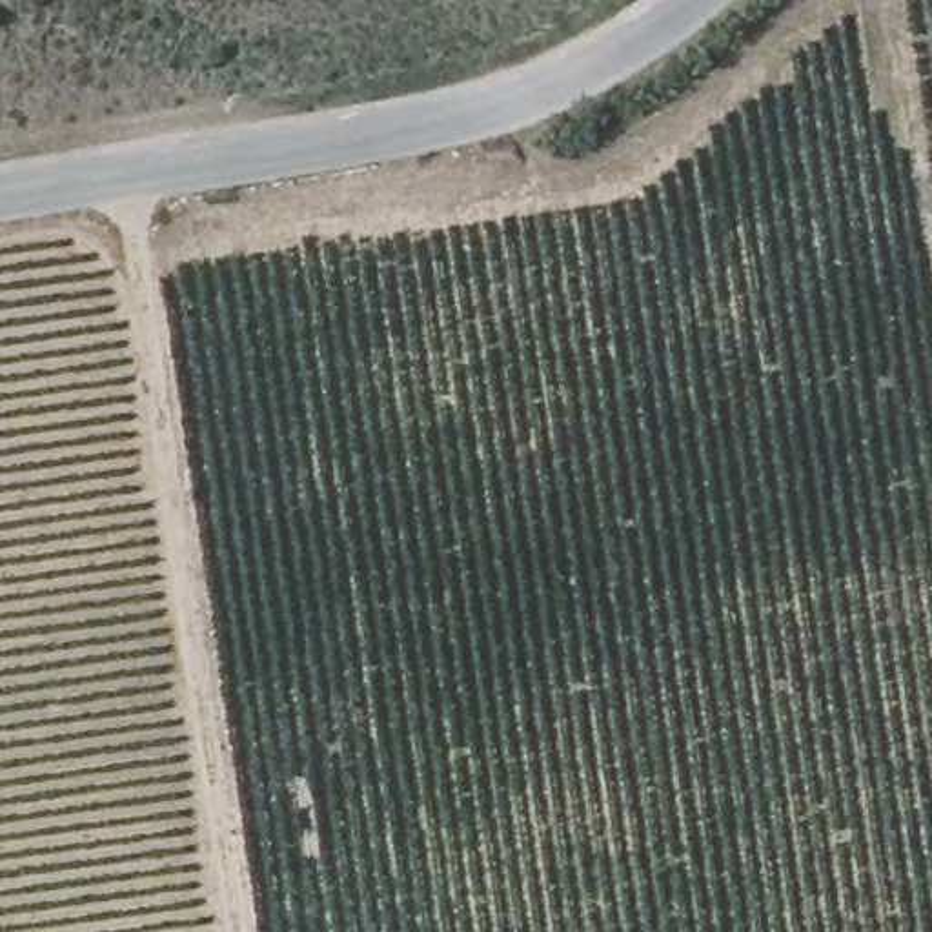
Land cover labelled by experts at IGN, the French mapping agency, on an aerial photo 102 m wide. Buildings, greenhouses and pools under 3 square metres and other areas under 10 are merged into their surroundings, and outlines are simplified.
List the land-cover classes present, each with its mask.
<instances>
[{"label":"vineyard","instance_id":"1","mask_svg":"<svg viewBox=\"0 0 932 932\"><path fill-rule=\"evenodd\" d=\"M914 47L899 51V62L892 66V113L870 109L856 15H845L816 44L794 55L790 84H765L757 98H746L739 109H732L721 124L710 127V146L677 160V167L652 182L644 197L568 211L510 215L502 222H473L433 233L335 240L306 237L288 251L186 262L164 277L160 291L171 324V357L182 400L186 455L204 546V579L211 593V623L218 644V674L233 743L258 932H932V0H907ZM127 273V251L120 226L98 211L73 208L0 222V932H215V914L208 910V899L215 896V888L200 885L189 735L182 706L175 703L178 648L175 623L167 612V579L160 564L157 506L127 502V495L142 491V451L135 433L131 393L138 364L127 346V320H117V291L98 288V280Z\"/></svg>","mask_w":932,"mask_h":932},{"label":"pervious surface","instance_id":"2","mask_svg":"<svg viewBox=\"0 0 932 932\"><path fill-rule=\"evenodd\" d=\"M845 15H856L870 109L892 113V66L899 62V51L914 47L907 0H797L783 18H775V25L757 44L743 51L735 69H717L710 80L699 84V91L684 95L681 102L652 117L633 120L626 135H619L608 149L593 157L561 160L539 149L546 120L535 127H521L513 135L470 146H444L419 157L280 175L269 182H244L208 193H175L167 200H160L157 193L120 197L102 200L98 211L120 226L127 251V273L98 280V288L117 291V320H127V346L138 364L131 393L135 433L142 451V491L127 495V502L157 506L160 564L167 579V612L175 623L178 648L175 703L182 706L189 735L200 885L215 888V896L208 899V910L215 914V932H258L233 743L218 674V644L211 623V593L204 579V546L186 455L182 400L171 357V324L160 291L164 277L186 262L288 251L306 237L335 240L433 233L473 222H502L510 215L568 211L644 197L652 182L677 167V160L710 146V127L721 124L732 109H739L746 98H757L765 84H790L794 55L816 44Z\"/></svg>","mask_w":932,"mask_h":932},{"label":"herbaceous vegetation","instance_id":"3","mask_svg":"<svg viewBox=\"0 0 932 932\"><path fill-rule=\"evenodd\" d=\"M612 15L601 7V0H0V164L66 153L80 146L164 135L178 127L295 117L331 106L379 102L462 84L495 69L521 66L608 22Z\"/></svg>","mask_w":932,"mask_h":932},{"label":"impervious surface","instance_id":"4","mask_svg":"<svg viewBox=\"0 0 932 932\"><path fill-rule=\"evenodd\" d=\"M739 0H601V7L612 15L608 22L521 66L495 69L462 84L379 102L331 106L295 117L178 127L164 135L80 146L66 153L0 164V222L73 208L98 211L102 200L120 197L157 193L160 200H167L175 193H208L244 182H269L280 175L419 157L444 146H470L513 135L521 127H535L546 120L568 113L583 98H597L615 84L633 80L652 62H663L670 51L699 36L714 18H721Z\"/></svg>","mask_w":932,"mask_h":932},{"label":"deciduous trees","instance_id":"5","mask_svg":"<svg viewBox=\"0 0 932 932\"><path fill-rule=\"evenodd\" d=\"M797 0H739L721 18H714L699 36L670 51L663 62H652L633 80L615 84L597 98H583L568 113L546 120L539 149L561 160L593 157L608 149L619 135H626L633 120L652 117L681 102L684 95L699 91V84L710 80L717 69H735L743 51L757 44L775 25V18H783Z\"/></svg>","mask_w":932,"mask_h":932}]
</instances>
